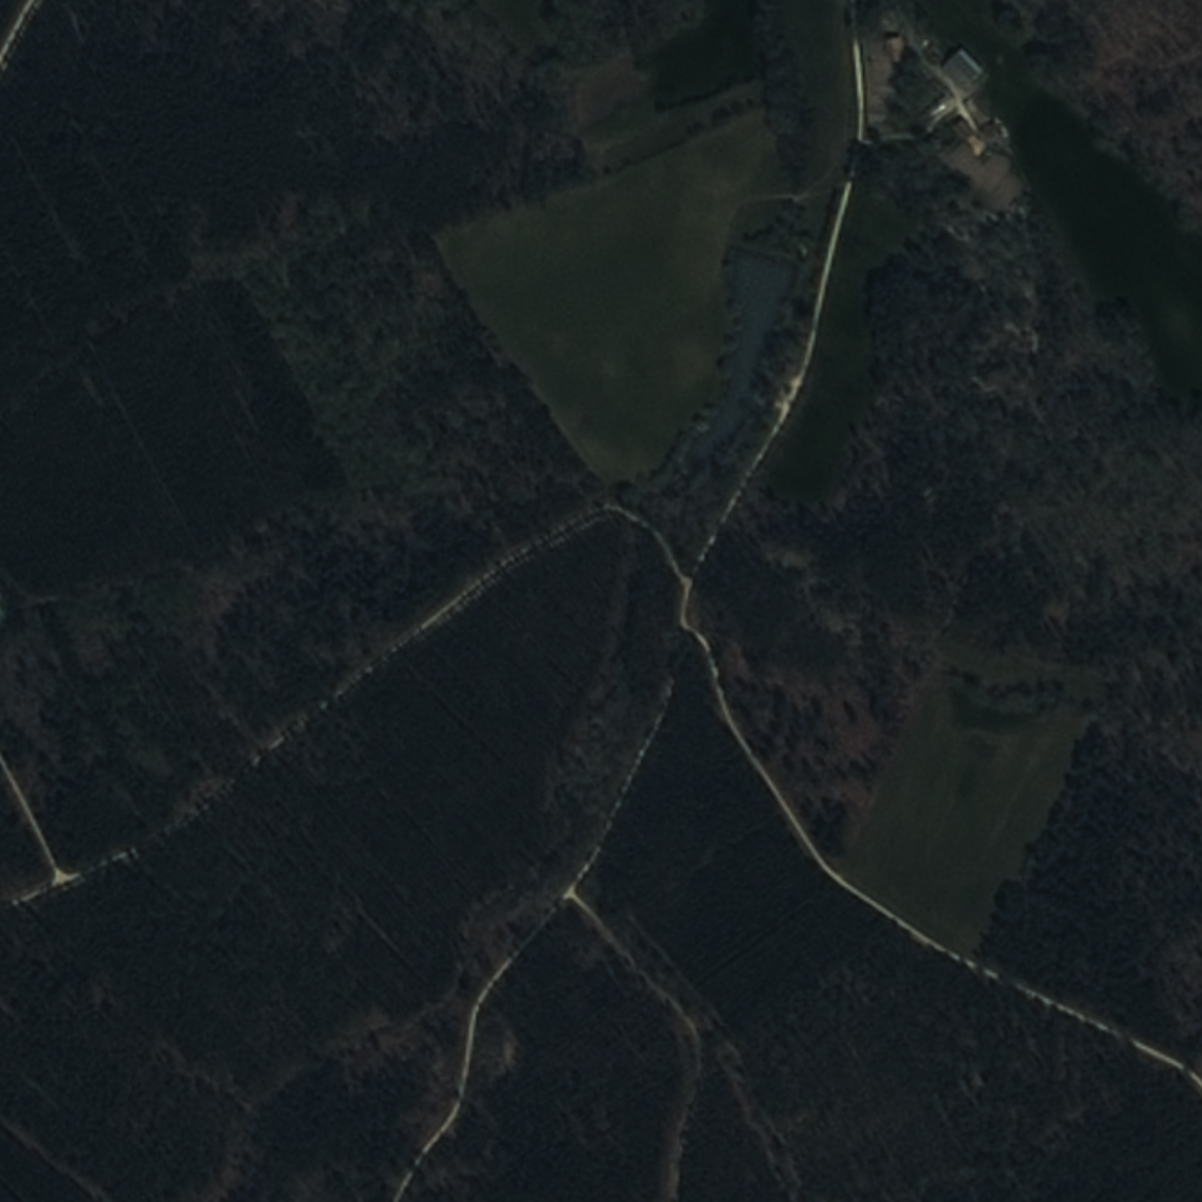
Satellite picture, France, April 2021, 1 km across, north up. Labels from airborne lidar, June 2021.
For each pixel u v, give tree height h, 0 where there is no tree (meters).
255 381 10
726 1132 15
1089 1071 16
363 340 13
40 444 14
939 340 12
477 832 8
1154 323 0
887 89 0
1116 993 16
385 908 11
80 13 8
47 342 14
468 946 14
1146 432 28
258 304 14
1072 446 8
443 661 12
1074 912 20
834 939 8
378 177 15
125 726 11
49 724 17
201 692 14
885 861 0
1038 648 15
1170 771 12
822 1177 13
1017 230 17
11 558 9
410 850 12
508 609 12
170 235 12
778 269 0
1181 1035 11
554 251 0
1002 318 22
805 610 11
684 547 10
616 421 0
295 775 12
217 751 14
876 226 0
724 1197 11
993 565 15
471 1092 7
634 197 0
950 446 12
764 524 11
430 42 13
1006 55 0
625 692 13
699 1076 10
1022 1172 18
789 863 12
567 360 0
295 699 16
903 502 12
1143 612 19
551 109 13
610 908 13
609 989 14
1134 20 20
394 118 9
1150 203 0
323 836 13
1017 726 0
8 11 11
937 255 14
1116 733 6
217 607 12
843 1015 15
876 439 14
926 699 0
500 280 0
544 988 15
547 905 12
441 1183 11
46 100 13
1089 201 0
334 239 11
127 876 16
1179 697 15
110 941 15
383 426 11
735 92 12
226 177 17
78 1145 15
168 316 10
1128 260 0
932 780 0
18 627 14
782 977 12
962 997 15
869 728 0
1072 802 10
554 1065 8
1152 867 12
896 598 15
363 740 12
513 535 15
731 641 6
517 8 0
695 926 10
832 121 0
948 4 0
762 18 17
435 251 17
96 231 15
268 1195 17
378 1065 10
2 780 16
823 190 0
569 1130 12
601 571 12
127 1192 14
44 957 18
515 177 7
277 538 11
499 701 10
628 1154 16
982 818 0
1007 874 0
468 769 11
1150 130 11
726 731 14
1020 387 10
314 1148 16
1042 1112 15
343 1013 16
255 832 13
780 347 17
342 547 9
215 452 13
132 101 14
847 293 0
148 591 11
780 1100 15
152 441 12
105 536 11
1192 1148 15
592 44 20
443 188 16
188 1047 15
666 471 8
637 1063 14
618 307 0
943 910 0
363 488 6
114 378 10
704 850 14
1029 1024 14
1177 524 15
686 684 17
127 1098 15
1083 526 15
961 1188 11
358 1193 6
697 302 0
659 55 0
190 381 13
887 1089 13
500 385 18
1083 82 20
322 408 11
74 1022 16
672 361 0
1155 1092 13
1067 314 24
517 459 14
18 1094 16
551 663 10
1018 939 15
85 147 15
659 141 0
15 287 13
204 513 14
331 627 14
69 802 16
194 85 18
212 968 14
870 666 11
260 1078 14
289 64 15
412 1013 13
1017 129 0
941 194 25
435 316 10
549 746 10
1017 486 22
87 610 10
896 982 16
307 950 15
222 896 13
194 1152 16
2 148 13
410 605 15
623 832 13
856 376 0
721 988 13
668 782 15
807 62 0
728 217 0
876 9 23
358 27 14
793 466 0
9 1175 13
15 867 15
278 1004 14
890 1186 13
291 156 16
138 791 11
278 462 8
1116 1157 12
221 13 14
